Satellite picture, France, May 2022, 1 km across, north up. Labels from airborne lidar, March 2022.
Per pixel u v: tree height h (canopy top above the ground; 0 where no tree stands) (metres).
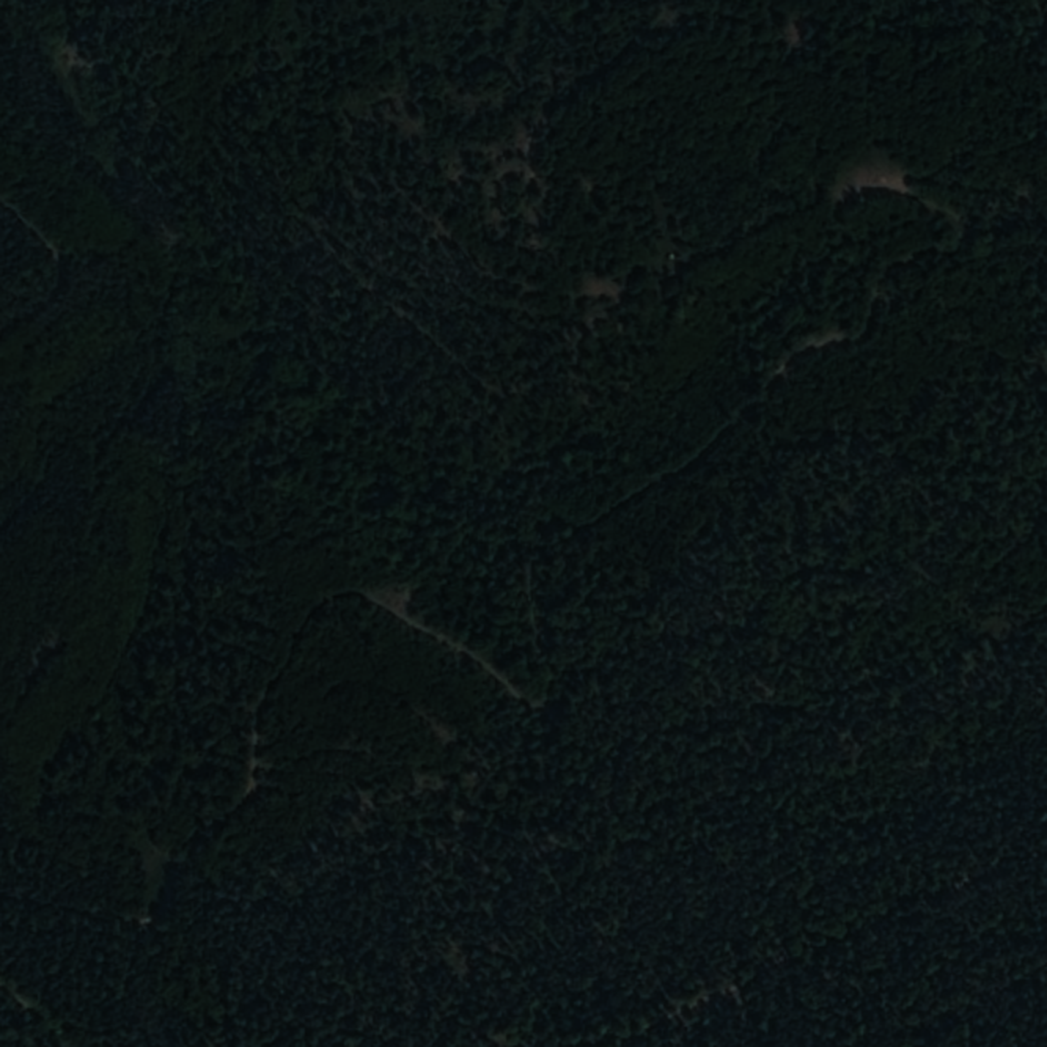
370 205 8
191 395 26
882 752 9
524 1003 27
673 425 12
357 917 29
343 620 14
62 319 18
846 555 29
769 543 26
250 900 8
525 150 17
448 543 37
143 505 25
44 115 26
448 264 31
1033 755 12
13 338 17
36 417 18
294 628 14
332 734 13
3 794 19
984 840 31
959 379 10
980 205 12
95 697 19
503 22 0
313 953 29
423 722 10
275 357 24
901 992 31
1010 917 29
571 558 13
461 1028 29
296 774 12
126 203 33
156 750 16
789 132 18
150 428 32
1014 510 31
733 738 36
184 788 21
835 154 16
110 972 25
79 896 24
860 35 17
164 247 23
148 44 6
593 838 27
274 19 8
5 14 25
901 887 23
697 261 15
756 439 13
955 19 27
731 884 29
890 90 20
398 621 12
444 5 0
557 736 38
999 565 9
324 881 26
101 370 21
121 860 27
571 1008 11
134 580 21
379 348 30
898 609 7
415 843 23
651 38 18
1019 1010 31
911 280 9
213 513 34
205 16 14
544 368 30
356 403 30
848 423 9
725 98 22
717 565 29
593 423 20
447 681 10
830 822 20
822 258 15
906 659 10
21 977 18
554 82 14
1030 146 15
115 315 21
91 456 13
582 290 17
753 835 32
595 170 19
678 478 9
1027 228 26
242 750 20
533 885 23
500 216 13
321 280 31
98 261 23
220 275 18
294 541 12
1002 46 25
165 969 23
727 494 10
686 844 18
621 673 32
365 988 29
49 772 42
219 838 17
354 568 16
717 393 11
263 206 35
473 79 16
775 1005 25
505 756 35
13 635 17
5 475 25
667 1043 28
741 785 33
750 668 32
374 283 21
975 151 16
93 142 24
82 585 14
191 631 13
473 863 33
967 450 31
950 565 8
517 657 36
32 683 18
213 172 32
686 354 10
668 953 29
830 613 17
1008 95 11
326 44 11
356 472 34
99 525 23
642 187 15
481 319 30
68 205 20
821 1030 29
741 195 14
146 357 18
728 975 24
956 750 9
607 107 21
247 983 33
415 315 31
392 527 35
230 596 10
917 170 16
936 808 10
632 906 27
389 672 12
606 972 28
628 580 7
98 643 14
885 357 20
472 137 11
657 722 34
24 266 23
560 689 8
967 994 29
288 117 18
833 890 36
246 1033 32
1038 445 22
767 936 26
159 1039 17
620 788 33
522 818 9
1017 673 33
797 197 11
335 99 17
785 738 34
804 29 19
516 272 17
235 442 22
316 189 8
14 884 25
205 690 37
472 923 22
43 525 21
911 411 10
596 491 14
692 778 35
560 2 18
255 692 13
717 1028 34
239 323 15
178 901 23
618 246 13
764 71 22
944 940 28
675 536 15
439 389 33
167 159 37
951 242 27
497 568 30
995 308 13
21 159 16
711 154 19
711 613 31
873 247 17
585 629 33
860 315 15
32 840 19
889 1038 30
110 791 12
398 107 19
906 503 30
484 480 26
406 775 7
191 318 30
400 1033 31
